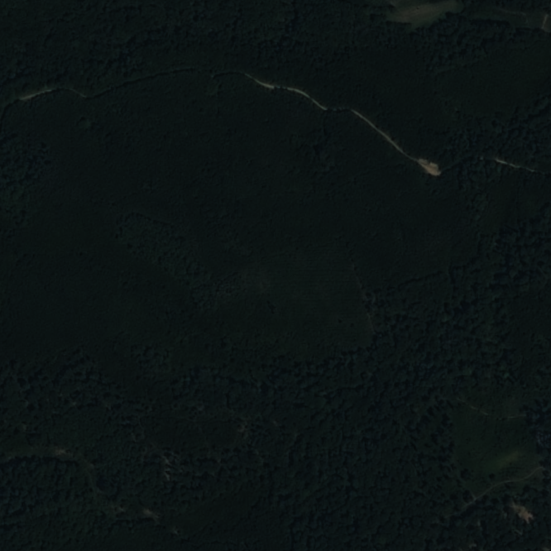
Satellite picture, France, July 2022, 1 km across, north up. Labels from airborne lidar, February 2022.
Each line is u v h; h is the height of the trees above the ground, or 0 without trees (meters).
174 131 15
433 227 11
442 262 12
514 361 24
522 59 12
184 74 10
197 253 11
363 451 30
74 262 12
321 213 9
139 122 15
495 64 13
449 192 14
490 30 26
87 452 11
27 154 13
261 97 14
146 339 13
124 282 9
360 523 24
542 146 28
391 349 24
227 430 6
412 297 23
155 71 13
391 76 11
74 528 21
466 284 28
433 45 16
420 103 12
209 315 8
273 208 7
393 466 24
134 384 10
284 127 13
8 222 11
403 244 9
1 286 13
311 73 13
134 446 18
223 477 28
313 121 10
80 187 13
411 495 25
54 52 32
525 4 24
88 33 30
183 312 10
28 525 19
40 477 25
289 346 6
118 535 13
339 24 23
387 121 14
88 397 21
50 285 14
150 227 18
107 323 10
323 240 5
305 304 0
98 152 16
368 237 13
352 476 10
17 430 28
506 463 0
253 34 27
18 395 24
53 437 19
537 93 20
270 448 30
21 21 25
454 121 13
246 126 14
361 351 15
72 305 12
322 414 25
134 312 10
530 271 11
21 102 8
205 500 25
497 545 28
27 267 11
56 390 21
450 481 27
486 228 8
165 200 12
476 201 13
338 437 23
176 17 29
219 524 9
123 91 12
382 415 27
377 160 14
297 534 29
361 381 21
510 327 9
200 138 14
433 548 25
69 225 13
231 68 11
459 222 13
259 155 8
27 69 26
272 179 6
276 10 24
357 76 11
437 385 28
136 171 14
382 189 12
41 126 12
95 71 23
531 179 15
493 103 16
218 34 26
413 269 10
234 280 7
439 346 22
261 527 13
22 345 12
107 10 30
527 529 24
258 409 28
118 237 18
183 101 10
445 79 12
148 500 25
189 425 6
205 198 6
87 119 14
